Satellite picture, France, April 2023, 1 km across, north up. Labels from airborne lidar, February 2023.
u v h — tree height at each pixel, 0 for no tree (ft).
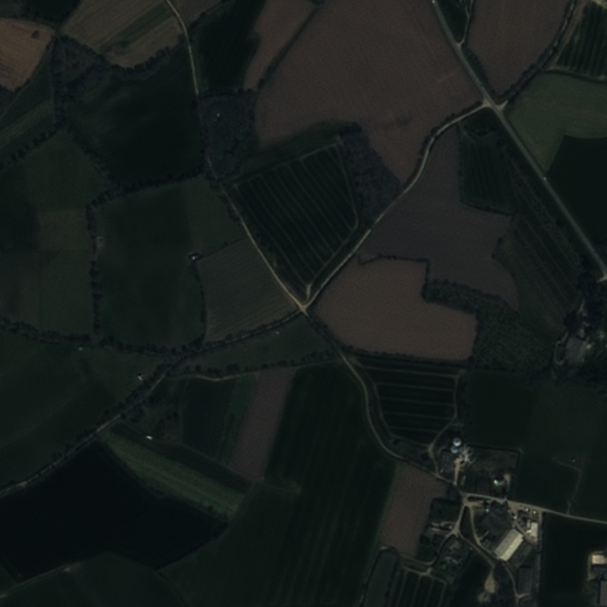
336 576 0
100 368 0
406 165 0
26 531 0
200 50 0
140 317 0
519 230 0
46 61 0
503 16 0
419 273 0
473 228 0
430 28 0
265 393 0
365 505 0
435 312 0
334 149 0
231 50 0
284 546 0
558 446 0
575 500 0
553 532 0
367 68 0
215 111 49
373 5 0
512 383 0
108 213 0
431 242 0
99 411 0
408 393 0
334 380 0
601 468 0
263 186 0
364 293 0
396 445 20
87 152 32
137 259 0
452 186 0
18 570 0
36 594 0
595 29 0
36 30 0
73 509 0
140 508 0
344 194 0
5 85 0
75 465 0
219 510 0
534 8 0
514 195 19
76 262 0
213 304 0
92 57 34
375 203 22
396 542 0
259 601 0
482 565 0
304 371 0
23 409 0
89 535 0
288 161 0
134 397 43
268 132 0
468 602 0
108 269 0
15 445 0
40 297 0
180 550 0
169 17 0
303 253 0
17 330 47
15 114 0
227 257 0
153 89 0
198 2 0
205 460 0
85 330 0
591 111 0
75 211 0
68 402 0
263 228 0
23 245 0
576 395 0
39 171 0
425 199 0
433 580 0
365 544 0
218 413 0
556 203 0
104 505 0
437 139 26
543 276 0
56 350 0
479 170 0
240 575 0
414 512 0
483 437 0
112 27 0
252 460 0
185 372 38
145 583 0
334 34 0
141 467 0
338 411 0
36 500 0
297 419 0
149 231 0
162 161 0
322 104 0
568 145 0
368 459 0
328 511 0
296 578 0
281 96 0
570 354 0
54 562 0
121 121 0
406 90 0
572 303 0
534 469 0
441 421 0
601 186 0
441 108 0
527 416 0
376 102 0
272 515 0
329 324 0
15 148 0
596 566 0
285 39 0
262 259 0
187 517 0
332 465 0
